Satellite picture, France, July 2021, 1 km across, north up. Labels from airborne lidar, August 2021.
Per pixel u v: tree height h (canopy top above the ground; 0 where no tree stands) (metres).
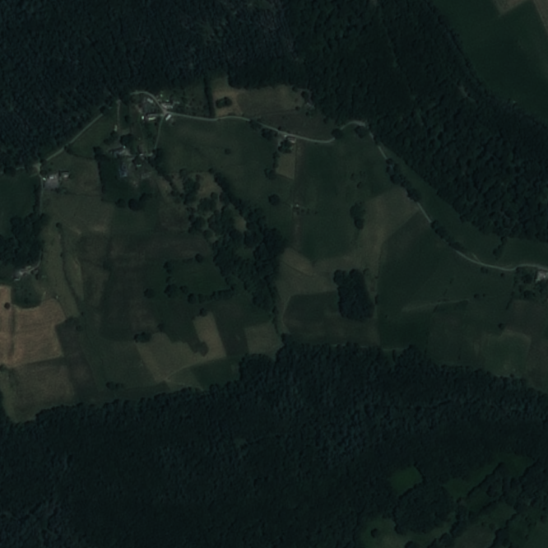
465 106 28
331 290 0
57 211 0
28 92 22
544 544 0
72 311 0
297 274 0
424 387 30
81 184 0
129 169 0
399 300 0
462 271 0
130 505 19
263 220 18
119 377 0
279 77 22
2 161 21
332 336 0
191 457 25
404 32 20
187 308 0
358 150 0
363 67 17
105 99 17
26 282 0
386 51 18
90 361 0
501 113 19
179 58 25
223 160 0
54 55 25
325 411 27
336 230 0
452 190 26
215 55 24
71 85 23
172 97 8
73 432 22
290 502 26
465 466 23
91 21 24
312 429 29
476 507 0
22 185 0
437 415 29
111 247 0
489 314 0
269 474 25
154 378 0
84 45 23
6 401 0
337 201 0
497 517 0
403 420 25
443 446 24
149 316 0
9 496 23
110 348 0
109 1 24
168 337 0
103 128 0
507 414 25
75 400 0
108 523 20
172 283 12
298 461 23
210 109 9
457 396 28
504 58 0
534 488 21
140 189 0
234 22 22
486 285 0
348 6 36
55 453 24
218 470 26
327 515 26
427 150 20
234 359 0
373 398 27
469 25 0
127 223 0
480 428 26
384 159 0
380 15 28
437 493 23
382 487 26
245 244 17
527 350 0
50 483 28
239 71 24
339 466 26
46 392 0
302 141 0
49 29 21
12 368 0
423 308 0
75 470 27
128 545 26
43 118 22
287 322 0
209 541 28
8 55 29
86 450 24
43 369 0
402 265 0
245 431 27
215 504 31
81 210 0
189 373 0
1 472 26
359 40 27
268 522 26
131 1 19
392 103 17
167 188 0
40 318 0
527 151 17
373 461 23
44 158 20
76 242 0
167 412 30
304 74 25
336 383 32
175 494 23
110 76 20
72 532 30
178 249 0
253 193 0
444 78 16
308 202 0
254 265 11
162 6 24
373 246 0
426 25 17
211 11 22
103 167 11
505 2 0
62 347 0
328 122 11
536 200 34
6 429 25
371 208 0
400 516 26
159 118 6
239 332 0
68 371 0
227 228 9
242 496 24
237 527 26
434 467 27
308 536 21
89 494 23
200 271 0
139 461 22
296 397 29
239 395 18
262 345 0
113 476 20
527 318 0
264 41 22
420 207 0
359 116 28
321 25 21
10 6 27
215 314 0
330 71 26
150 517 18
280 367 22
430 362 18
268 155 0
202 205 11
